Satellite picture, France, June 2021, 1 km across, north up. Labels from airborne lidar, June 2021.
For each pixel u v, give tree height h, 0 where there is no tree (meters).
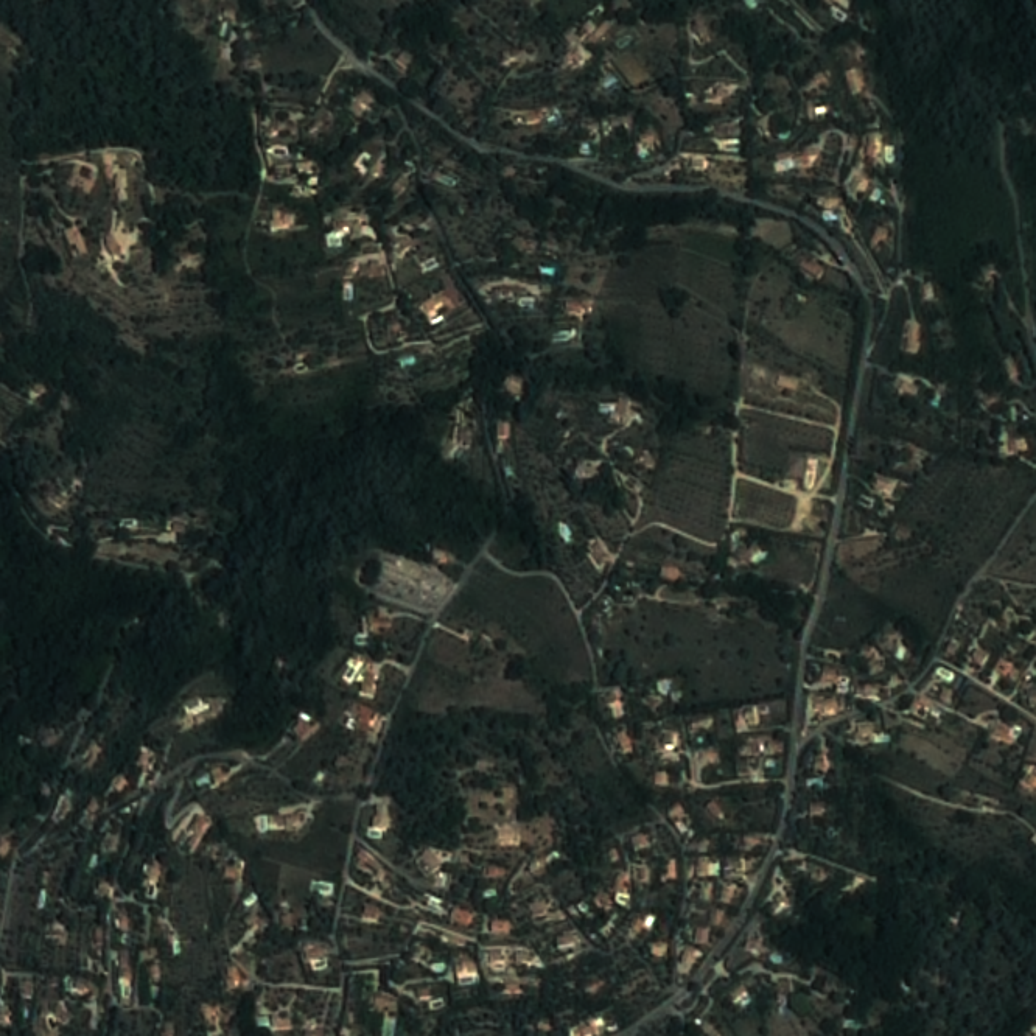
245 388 15
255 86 14
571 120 6
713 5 7
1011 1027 20
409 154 14
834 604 0
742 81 7
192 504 10
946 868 20
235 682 6
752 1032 0
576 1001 7
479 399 12
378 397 0
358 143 14
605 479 10
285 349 6
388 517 17
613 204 13
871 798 8
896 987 11
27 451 14
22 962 7
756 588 11
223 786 6
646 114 14
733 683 0
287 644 8
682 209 18
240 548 18
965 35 18
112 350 11
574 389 12
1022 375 9
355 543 17
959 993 19
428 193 20
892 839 6
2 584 14
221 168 15
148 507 9
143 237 9
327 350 7
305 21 11
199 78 20
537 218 15
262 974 10
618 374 12
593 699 8
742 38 11
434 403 14
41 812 7
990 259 11
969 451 8
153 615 17
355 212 12
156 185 9
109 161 0
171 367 14
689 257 0
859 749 11
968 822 13
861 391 0
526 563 10
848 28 16
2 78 0
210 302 12
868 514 6
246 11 11
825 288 10
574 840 13
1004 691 8
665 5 12
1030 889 6
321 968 0
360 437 19
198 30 0
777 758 9
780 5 6
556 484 6
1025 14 21
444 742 15
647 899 0
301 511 16
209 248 12
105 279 6
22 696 13
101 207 0
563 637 0
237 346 12
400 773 14
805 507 0
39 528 6
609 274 0
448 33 10
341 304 0
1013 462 8
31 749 15
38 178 11
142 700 12
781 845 6
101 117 18
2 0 14
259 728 10
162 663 12
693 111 9
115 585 20
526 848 6
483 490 12
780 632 8
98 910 8
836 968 8
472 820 7
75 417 7
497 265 7
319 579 11
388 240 14
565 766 6
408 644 8
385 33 10
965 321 6
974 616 0
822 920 18
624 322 0
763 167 0
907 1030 17
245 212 11
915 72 12
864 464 9
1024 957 22
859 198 7
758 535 12
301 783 11
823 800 8
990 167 16
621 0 0
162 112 21
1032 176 7
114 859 7
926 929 18
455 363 8
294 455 17
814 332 0
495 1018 9
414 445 20
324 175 11
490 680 0
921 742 0
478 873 10
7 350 8
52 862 6
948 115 9
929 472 13
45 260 13
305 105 8
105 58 13
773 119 12
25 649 16
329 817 0
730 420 15
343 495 13
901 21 16
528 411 10
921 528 8
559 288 5
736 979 7
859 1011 15
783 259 6
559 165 11
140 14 16
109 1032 8
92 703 16
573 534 6
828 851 7
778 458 0
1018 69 8
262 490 25
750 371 0
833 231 8
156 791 7
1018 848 5
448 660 0
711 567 12
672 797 7
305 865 0
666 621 0
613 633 0
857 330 7
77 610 10
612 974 6
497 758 7
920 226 9
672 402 12
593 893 9
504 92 5
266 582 19
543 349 10
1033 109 7
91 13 17
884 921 17
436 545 15
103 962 5
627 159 6
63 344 9
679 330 0
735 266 8
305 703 9
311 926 14
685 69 11
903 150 8
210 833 9
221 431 9
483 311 13
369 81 12
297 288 0
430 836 12
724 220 6
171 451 9
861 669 12
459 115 5
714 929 6
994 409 11
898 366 7
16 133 10
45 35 14
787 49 6
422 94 13
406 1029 7
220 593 18
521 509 18
